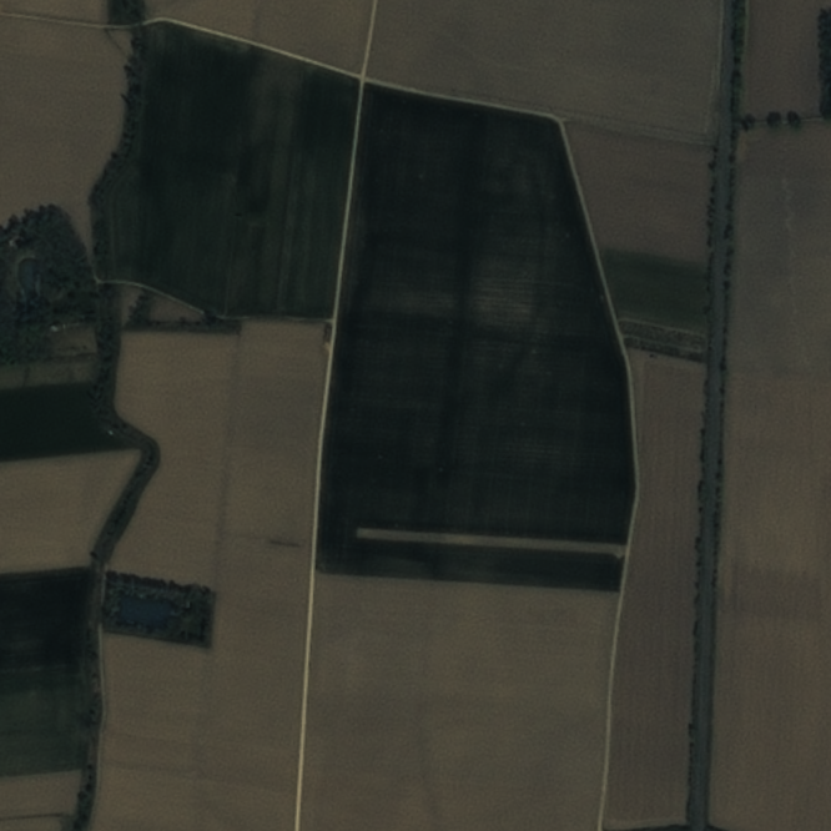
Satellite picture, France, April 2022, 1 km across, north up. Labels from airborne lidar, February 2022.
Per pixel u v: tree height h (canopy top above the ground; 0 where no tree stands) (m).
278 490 0
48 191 0
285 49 0
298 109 0
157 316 0
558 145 0
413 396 0
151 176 0
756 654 0
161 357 0
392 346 0
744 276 0
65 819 0
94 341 0
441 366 0
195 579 0
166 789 0
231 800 0
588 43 0
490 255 0
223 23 0
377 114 0
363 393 0
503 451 0
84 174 0
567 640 0
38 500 0
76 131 0
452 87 0
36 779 0
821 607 0
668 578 0
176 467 0
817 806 0
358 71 0
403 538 0
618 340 0
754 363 0
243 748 0
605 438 0
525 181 0
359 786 0
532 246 0
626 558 0
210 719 0
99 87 0
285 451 0
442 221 0
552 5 0
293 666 0
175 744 0
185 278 0
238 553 0
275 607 0
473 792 0
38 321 19
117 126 0
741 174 0
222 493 0
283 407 0
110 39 0
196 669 0
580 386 0
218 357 0
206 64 0
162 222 0
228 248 0
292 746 0
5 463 0
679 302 0
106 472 0
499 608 0
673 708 0
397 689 0
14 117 0
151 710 0
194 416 0
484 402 0
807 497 0
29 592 0
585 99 0
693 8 0
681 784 0
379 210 0
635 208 0
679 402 0
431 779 0
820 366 0
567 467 0
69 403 0
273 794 0
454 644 0
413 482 0
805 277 0
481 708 0
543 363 0
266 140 0
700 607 8
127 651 0
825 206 0
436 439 0
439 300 0
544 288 0
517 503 0
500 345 0
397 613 0
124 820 0
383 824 0
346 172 0
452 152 0
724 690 0
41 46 0
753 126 15
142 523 0
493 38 0
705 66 0
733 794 0
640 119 0
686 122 0
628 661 0
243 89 0
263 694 0
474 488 0
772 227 0
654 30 0
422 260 0
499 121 0
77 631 0
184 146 0
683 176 0
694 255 0
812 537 0
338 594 0
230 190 0
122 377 0
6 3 0
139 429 0
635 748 0
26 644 0
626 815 0
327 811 0
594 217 0
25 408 0
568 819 0
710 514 0
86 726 20
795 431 0
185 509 0
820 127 0
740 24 13
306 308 0
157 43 0
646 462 0
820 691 0
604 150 0
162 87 0
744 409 0
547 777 0
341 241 0
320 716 0
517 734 0
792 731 0
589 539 0
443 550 0
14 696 0
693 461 0
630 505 0
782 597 0
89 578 0
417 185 0
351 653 0
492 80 0
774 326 0
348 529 0
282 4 0
